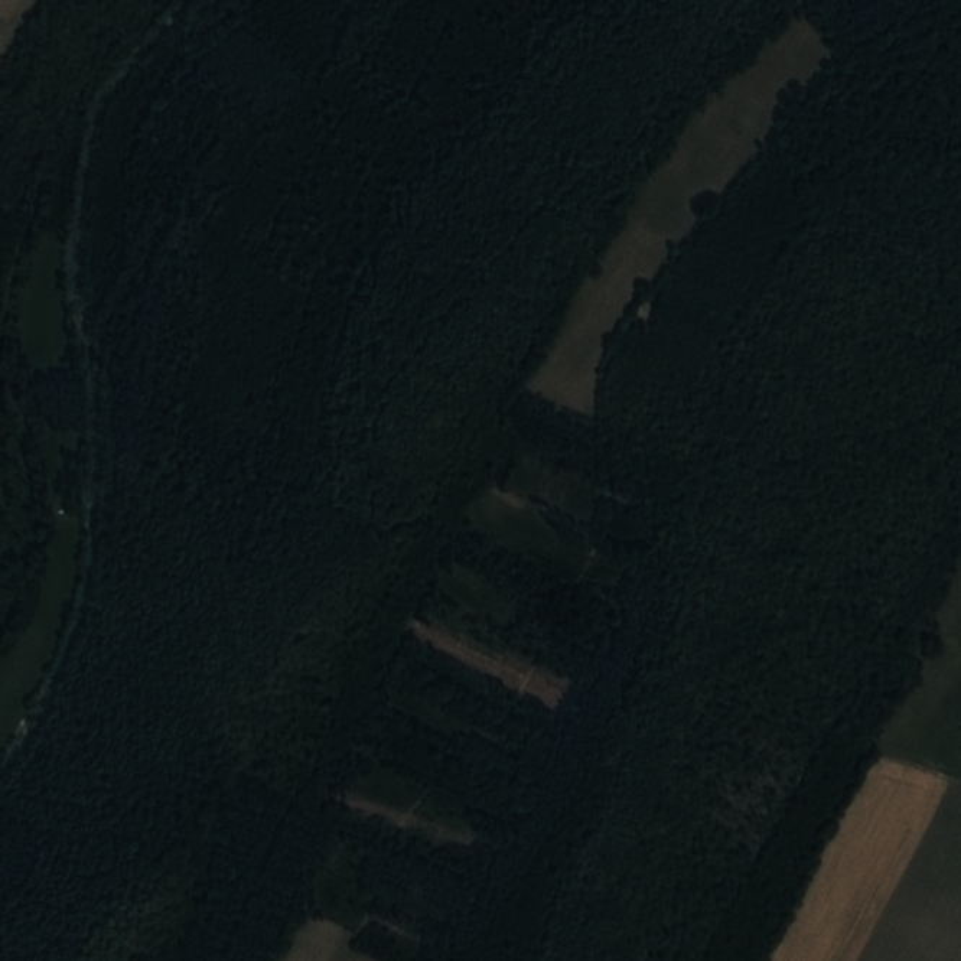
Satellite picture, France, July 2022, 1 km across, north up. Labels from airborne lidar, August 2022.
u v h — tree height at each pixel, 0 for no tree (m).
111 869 25
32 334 0
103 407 17
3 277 10
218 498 17
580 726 27
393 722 23
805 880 16
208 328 9
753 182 13
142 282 20
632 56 18
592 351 0
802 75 0
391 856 20
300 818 18
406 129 9
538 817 21
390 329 21
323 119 9
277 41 13
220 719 16
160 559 19
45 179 19
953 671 0
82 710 18
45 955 21
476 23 10
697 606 19
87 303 7
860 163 24
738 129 0
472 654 0
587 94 17
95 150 8
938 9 23
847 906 0
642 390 13
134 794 21
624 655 23
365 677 15
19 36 12
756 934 13
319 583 18
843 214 19
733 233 13
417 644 24
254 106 12
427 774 7
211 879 16
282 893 21
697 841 7
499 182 20
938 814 0
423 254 22
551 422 13
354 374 18
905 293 16
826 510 16
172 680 17
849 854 0
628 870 14
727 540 15
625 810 10
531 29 10
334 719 15
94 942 16
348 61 9
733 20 11
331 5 8
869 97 20
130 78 8
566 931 10
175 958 22
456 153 19
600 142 17
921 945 0
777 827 10
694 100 18
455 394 15
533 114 20
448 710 26
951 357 18
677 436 15
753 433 17
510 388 23
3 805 13
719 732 14
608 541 26
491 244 22
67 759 14
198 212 24
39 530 21
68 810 19
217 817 19
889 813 0
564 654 28
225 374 8
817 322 11
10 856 17
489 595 0
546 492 0
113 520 27
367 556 19
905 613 19
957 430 15
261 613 18
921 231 16
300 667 18
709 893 18
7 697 0
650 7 20
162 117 23
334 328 13
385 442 16
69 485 31
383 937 7
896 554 17
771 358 12
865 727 22
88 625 17
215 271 9
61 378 27
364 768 18
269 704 16
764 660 14
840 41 21
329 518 22
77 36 14
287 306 7
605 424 11
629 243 0
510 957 13
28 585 19
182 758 19
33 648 0
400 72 9
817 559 16
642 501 21
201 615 18
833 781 13
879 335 15
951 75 22
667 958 18
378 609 17
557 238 16
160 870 20
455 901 19
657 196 0
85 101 21
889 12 23
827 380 13
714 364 12
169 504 19
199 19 12
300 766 11
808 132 18
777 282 9
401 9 7
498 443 12
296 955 0
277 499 23
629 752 19
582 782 12
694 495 16
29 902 18
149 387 18
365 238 9
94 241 10
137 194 7
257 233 12
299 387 8
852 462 12
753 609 15
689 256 11
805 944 0
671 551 13
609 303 0
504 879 24
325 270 10
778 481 12
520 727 25
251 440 12
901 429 16
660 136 20
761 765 18
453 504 14
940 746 0
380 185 10
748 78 0
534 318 17
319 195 10
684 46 14
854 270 15
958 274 16
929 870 0
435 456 15
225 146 7
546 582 10
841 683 15
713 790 12
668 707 11
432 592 18
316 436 11
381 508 18
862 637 22
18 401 22
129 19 19
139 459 22
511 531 0
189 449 17
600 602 14
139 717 21
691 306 12
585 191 14
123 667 14
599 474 14
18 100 13
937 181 17
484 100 11
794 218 12
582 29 18
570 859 11
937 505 17
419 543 11
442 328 18
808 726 16
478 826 23
